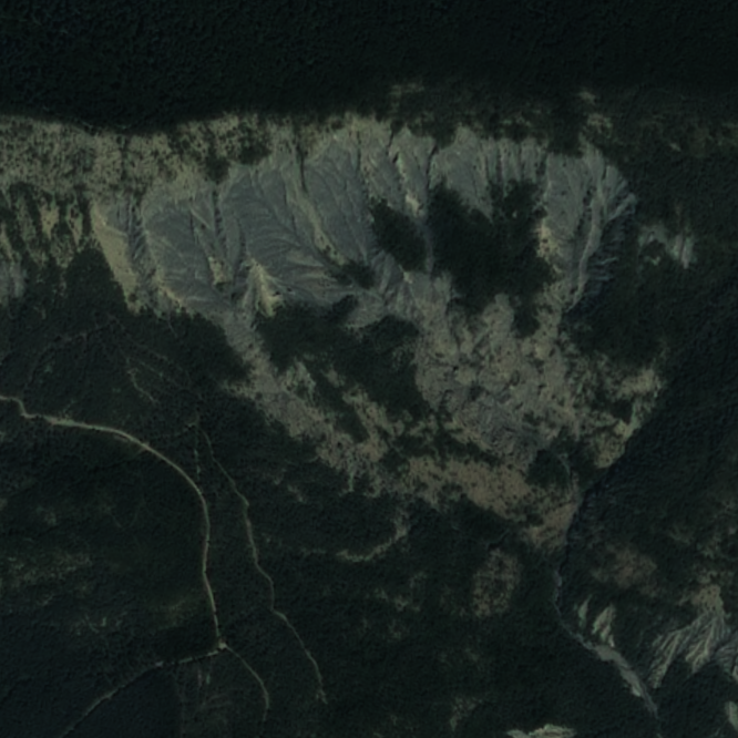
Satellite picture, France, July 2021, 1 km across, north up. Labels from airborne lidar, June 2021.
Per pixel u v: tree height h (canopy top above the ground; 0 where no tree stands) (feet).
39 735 24
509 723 25
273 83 47
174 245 0
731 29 42
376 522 32
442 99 24
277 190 0
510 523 21
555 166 0
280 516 29
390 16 66
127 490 26
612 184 0
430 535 26
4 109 24
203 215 0
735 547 25
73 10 80
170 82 65
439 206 24
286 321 23
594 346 27
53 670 36
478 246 35
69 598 27
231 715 22
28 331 23
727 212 31
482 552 27
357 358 18
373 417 0
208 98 46
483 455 22
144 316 23
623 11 60
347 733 25
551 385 0
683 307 46
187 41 66
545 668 22
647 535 33
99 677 40
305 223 0
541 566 26
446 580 25
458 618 22
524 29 66
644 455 38
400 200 0
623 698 35
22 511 20
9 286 0
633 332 23
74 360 23
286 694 20
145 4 62
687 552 19
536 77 33
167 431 35
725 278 25
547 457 25
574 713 21
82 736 31
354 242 0
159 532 25
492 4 67
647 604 26
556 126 27
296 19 61
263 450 37
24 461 44
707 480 31
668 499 24
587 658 42
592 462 19
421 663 25
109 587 26
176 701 32
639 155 17
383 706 20
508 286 32
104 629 17
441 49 47
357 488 20
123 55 53
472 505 26
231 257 0
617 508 17
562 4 50
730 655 0
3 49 78
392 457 22
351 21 65
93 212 0
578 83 25
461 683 23
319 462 23
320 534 35
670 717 24
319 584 33
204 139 20
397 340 20
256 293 0
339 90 40
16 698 44
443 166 0
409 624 24
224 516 24
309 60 66
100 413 18
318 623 23
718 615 0
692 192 31
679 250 0
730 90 44
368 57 57
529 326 21
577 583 31
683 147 33
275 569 28
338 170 0
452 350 0
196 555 22
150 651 32
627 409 22
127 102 23
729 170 30
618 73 42
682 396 27
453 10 71
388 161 0
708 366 28
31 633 25
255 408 35
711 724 20
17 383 23
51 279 18
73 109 30
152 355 22
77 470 33
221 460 36
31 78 30
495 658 21
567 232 0
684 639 0
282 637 43
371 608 29
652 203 22
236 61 59
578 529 22
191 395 33
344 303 22
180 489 22
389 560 29
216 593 22
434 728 30
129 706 26
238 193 0
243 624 36
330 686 29
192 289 0
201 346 21
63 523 20
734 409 28
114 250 0
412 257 28
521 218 22
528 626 35
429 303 0
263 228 0
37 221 21
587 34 54
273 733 36
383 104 20
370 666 40
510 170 0
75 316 22
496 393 0
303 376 0
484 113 23
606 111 19
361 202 0
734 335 34
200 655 35
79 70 37
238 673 25
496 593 20
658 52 51
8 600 23
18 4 56
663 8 42
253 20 85
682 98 19
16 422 19
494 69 40
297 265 0
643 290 19
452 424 0
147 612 18
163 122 42
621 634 22
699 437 26
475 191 0
